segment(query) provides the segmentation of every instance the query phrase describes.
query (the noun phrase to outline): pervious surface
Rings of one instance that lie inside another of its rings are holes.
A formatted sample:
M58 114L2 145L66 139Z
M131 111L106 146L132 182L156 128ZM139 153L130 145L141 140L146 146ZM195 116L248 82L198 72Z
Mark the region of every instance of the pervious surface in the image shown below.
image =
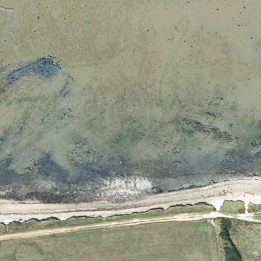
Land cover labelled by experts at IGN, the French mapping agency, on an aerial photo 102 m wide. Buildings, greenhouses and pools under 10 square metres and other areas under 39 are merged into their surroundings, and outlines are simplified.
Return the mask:
M0 236L0 241L99 227L199 220L210 217L224 218L229 218L260 222L260 219L254 218L254 213L248 212L248 209L249 205L261 204L261 196L241 195L238 196L239 200L245 202L243 214L220 213L222 203L214 201L212 204L216 211L205 214L184 213L135 218L7 233Z

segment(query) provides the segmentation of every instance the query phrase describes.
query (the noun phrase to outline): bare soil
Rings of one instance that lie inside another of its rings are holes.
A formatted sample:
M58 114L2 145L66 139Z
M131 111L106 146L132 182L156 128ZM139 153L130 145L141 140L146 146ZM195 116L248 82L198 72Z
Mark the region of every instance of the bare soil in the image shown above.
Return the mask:
M107 217L157 207L166 209L175 204L212 204L214 201L222 203L224 200L239 200L238 196L241 195L261 196L261 0L0 0L0 222L23 222L30 218L47 217L65 220L79 215Z

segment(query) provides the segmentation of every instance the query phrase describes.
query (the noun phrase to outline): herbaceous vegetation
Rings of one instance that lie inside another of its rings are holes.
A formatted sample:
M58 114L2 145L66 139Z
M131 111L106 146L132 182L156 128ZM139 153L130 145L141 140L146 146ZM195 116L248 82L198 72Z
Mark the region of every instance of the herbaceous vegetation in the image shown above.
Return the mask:
M79 215L65 220L47 217L30 218L23 222L0 222L0 236L7 233L135 218L184 213L205 214L216 211L212 204L175 204L166 209L157 207L107 217Z
M229 236L241 252L243 261L261 261L261 204L249 205L248 209L248 212L254 213L254 218L260 219L260 222L229 218Z
M210 217L199 220L99 227L0 241L0 261L225 261L224 240L220 237L221 220L224 218Z
M220 213L243 214L245 202L239 200L224 200L222 203Z

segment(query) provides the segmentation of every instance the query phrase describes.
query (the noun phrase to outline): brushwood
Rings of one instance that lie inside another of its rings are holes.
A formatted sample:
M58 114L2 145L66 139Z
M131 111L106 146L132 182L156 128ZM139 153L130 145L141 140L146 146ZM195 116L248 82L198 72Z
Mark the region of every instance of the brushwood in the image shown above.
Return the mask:
M241 252L229 236L229 218L224 218L221 220L220 237L224 240L225 261L243 261Z

